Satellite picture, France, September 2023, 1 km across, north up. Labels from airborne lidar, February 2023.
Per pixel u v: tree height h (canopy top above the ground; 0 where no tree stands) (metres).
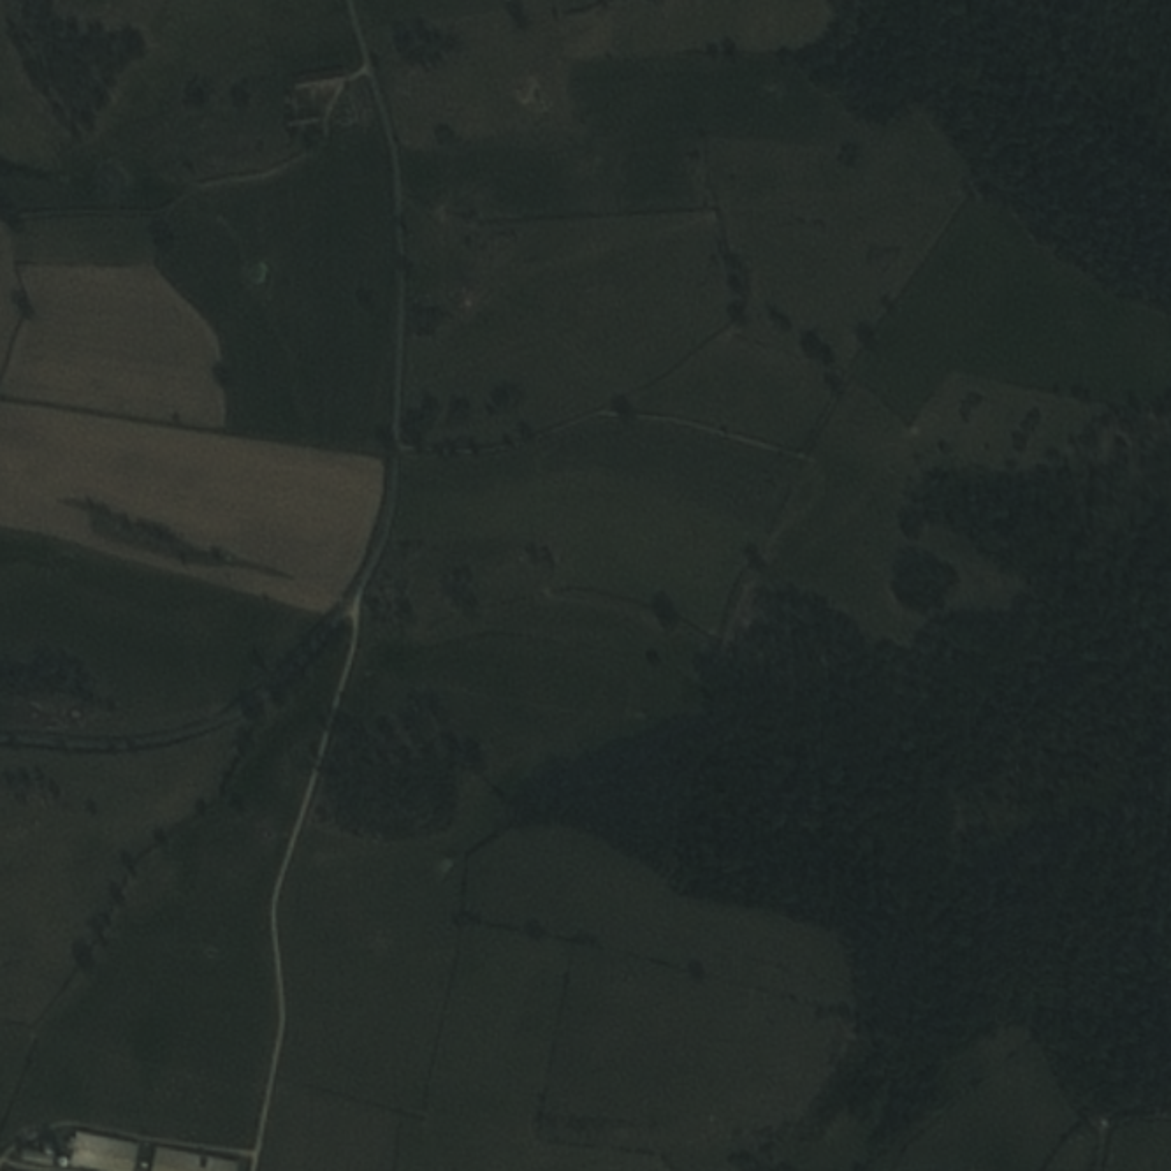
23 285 0
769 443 0
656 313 0
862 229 0
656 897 0
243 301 0
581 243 0
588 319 0
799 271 0
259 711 17
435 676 0
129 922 0
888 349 0
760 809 17
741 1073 0
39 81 13
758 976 0
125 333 0
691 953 0
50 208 0
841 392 12
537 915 0
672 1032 0
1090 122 15
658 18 0
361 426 0
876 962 24
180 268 0
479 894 0
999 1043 0
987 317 0
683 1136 0
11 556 0
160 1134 0
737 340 0
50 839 0
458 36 0
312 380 0
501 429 0
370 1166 0
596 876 0
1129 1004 22
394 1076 0
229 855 0
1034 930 18
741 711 21
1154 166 11
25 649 0
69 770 0
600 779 23
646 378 0
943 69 14
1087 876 21
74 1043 0
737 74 0
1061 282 0
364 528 0
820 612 14
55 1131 0
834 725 20
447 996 0
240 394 0
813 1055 0
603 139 0
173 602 0
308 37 0
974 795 9
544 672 0
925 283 0
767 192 0
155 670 0
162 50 0
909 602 15
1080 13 16
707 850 11
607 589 0
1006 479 9
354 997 0
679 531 0
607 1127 0
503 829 7
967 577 0
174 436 0
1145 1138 0
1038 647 21
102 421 0
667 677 0
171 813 0
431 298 0
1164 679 19
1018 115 8
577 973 0
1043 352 0
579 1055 0
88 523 0
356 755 14
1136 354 0
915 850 21
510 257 0
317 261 0
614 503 0
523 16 15
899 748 22
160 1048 0
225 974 0
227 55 0
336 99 0
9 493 0
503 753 0
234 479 0
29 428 0
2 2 0
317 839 0
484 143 0
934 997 18
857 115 15
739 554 0
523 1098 0
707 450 0
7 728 0
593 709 0
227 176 0
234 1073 0
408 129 0
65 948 0
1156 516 17
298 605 0
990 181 19
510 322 0
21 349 0
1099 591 18
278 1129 0
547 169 0
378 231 0
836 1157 0
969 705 24
